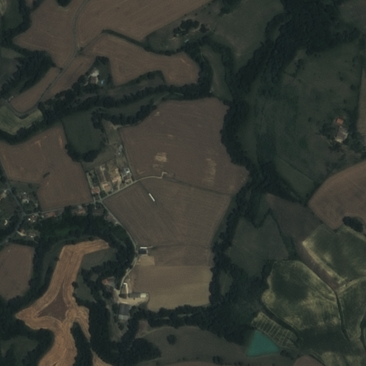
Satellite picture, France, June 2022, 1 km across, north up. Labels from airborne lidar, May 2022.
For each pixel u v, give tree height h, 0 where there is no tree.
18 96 0
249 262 0
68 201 0
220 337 12
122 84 0
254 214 10
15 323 10
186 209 0
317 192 0
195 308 15
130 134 0
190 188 0
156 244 0
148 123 0
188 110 0
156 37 0
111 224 11
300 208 0
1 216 7
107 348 19
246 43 0
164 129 0
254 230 0
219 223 0
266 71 8
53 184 0
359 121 0
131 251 21
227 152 7
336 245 0
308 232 0
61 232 12
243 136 0
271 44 9
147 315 26
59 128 0
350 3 0
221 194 0
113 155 0
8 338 7
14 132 0
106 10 0
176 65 0
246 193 18
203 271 0
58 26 0
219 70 0
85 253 0
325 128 14
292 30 22
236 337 26
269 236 0
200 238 0
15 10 0
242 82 18
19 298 26
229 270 15
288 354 13
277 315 0
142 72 0
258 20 0
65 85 0
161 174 0
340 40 19
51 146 0
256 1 0
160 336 0
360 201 0
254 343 0
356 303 0
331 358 0
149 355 20
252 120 0
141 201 0
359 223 16
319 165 0
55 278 0
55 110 14
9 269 0
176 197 0
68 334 0
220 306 19
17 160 0
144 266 0
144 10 0
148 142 0
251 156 0
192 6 0
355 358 0
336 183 0
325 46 18
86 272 31
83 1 0
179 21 0
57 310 0
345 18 0
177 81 0
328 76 0
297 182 0
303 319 0
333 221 0
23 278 0
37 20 0
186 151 0
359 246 0
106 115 16
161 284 0
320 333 0
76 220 13
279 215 0
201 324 19
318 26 28
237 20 0
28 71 28
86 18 0
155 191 0
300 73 0
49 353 0
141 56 0
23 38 0
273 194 6
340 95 0
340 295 0
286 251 0
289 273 0
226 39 0
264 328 0
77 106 15
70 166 0
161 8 0
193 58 14
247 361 0
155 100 0
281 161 0
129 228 0
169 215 0
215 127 0
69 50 0
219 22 0
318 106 0
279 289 0
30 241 8
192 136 0
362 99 0
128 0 0
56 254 0
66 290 0
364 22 0
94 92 17
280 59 16
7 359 16
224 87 0
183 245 0
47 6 0
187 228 0
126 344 35
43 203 0
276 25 12
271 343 0
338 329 0
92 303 13
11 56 0
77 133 0
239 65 0
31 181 0
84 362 8
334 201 0
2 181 14
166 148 0
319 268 0
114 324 0
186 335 0
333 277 0
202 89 20
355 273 0
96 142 0
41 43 0
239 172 0
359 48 0
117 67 0
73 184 0
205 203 0
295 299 0
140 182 0
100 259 0
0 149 0
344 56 0
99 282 11
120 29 0
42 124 15
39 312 0
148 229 0
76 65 0
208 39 28
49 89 0
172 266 0
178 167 0
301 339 9
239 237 0
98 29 0
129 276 0
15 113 0
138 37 0
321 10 10
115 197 0
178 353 0
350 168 0
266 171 23
